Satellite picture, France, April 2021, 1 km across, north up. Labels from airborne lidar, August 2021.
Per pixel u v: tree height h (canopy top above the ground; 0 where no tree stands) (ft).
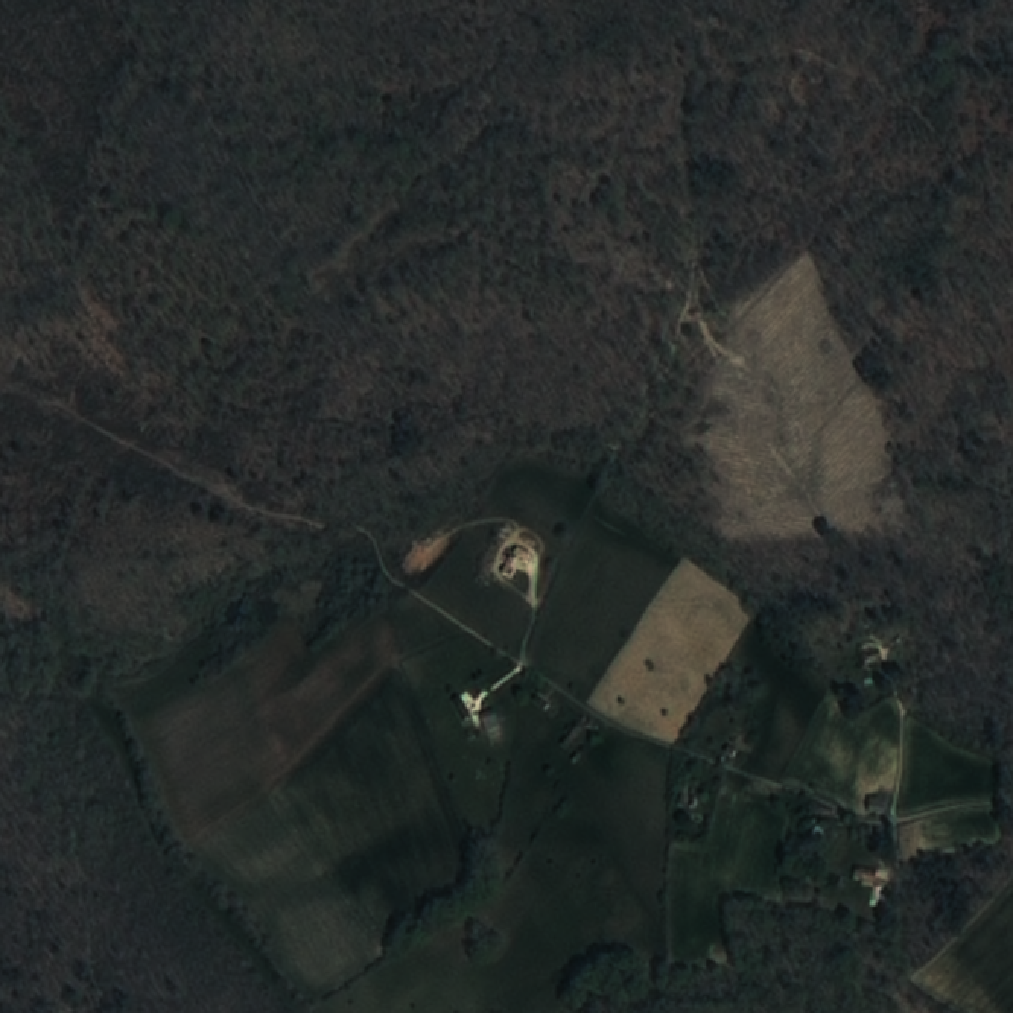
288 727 0
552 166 71
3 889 31
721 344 54
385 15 41
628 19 47
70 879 53
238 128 64
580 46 42
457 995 0
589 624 0
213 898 40
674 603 0
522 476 0
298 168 41
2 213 47
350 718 0
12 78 20
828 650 44
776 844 0
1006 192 47
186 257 62
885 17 50
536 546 0
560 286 63
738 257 40
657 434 69
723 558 47
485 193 39
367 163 55
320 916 0
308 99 47
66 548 68
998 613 44
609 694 0
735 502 0
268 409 42
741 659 0
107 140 54
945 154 33
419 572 0
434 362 47
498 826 38
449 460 58
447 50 65
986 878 38
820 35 43
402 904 0
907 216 49
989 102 30
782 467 0
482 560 0
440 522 41
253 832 0
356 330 54
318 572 20
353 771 0
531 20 46
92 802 31
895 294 60
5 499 39
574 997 73
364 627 0
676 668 0
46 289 55
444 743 0
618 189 59
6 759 56
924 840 0
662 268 45
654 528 60
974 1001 0
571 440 52
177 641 57
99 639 55
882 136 25
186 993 37
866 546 46
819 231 22
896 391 56
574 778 0
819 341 0
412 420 49
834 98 40
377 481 52
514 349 39
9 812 41
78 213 46
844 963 77
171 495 20
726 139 54
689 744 35
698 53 53
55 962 31
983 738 36
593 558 0
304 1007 48
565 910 0
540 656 0
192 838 0
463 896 51
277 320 58
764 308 0
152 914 38
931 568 41
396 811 0
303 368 47
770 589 43
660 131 47
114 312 47
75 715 39
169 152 48
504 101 34
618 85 28
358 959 0
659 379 63
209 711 0
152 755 0
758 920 63
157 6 63
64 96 21
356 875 0
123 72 62
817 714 0
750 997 72
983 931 0
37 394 0
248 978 41
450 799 0
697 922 0
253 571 65
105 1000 37
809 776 0
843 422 0
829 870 55
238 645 39
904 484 62
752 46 61
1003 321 23
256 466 44
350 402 45
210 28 40
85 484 60
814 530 0
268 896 0
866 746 0
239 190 50
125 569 45
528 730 0
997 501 48
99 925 41
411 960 0
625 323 38
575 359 38
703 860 0
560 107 46
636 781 0
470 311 40
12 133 62
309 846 0
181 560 47
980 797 0
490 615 0
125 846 46
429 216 56
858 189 41
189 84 46
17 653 67
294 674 0
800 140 41
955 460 53
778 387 0
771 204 49
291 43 40
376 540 31
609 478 67
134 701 0
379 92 25
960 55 55
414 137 64
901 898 48
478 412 50
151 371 49
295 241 52
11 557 64
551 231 58
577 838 0
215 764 0
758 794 0
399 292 60
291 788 0
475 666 0
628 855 0
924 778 0
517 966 0
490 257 63
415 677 0
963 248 63
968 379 55
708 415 0
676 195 52
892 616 49
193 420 62
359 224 63
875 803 0
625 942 0
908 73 41
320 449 61
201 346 21
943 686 42
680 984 66
